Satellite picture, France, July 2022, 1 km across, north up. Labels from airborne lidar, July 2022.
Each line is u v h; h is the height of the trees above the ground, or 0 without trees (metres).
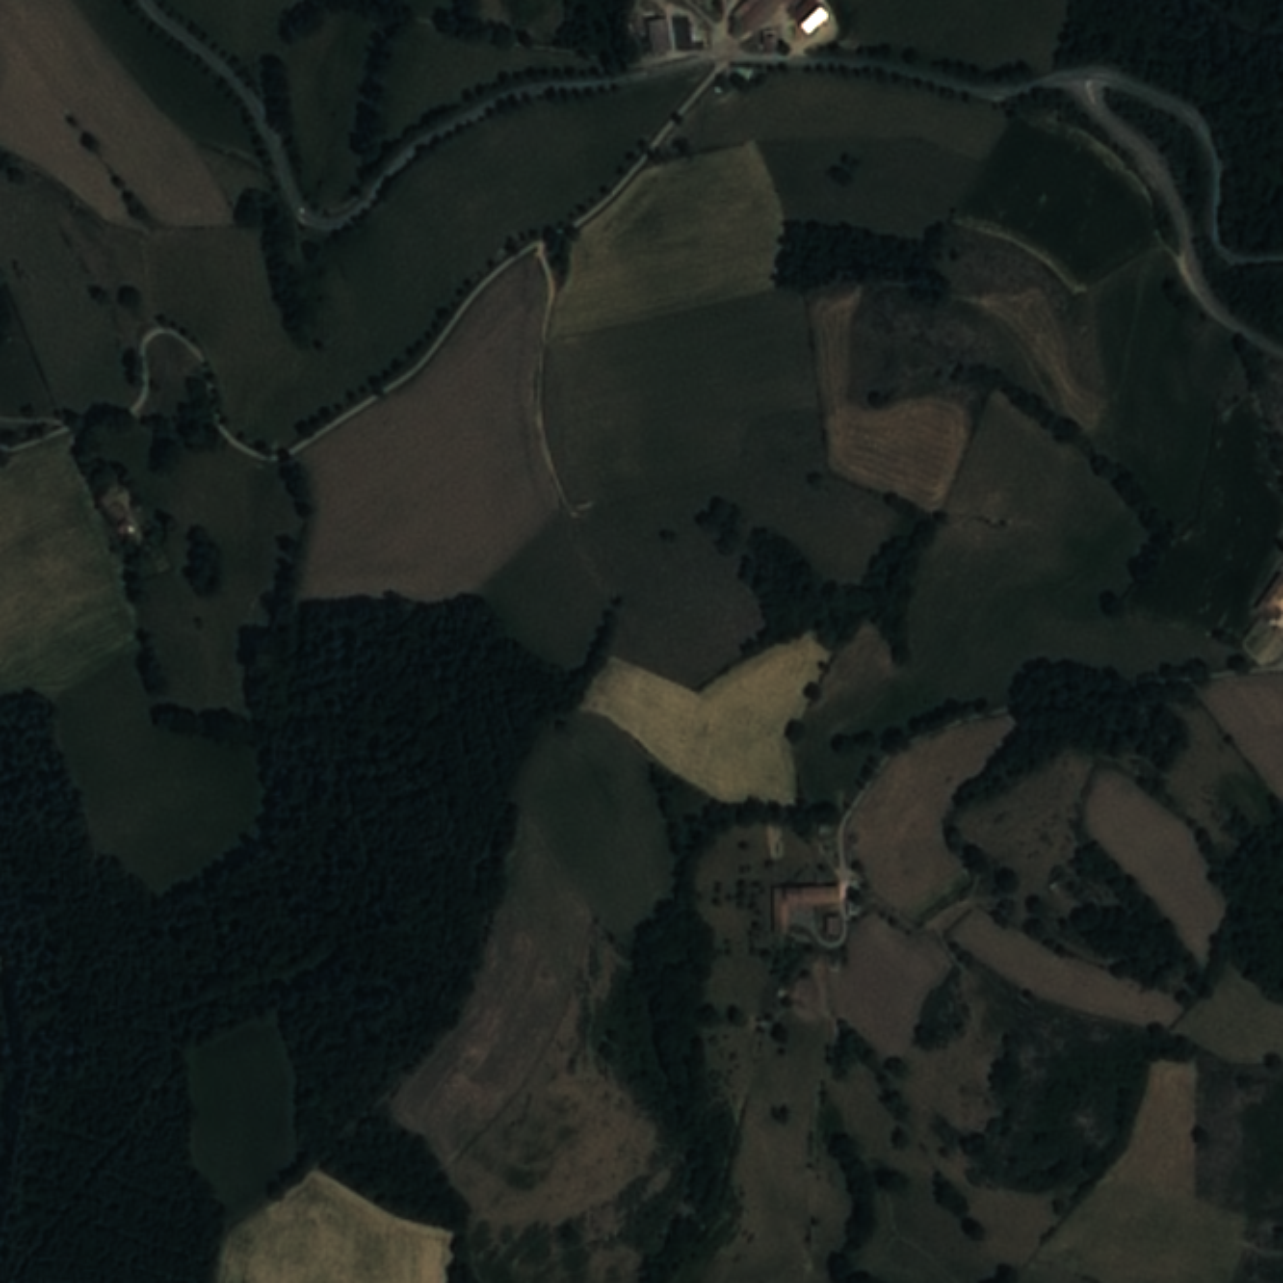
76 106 0
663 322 0
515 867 0
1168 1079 0
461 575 0
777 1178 0
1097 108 0
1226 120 13
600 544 0
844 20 0
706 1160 18
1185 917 0
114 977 9
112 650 0
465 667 14
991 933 0
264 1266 0
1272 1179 0
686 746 0
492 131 0
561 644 0
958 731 0
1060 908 0
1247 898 15
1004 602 0
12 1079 14
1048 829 0
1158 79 14
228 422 10
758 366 0
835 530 0
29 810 30
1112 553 0
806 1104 0
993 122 0
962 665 0
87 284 0
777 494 0
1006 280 0
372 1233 0
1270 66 16
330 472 0
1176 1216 0
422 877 14
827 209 0
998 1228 0
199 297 0
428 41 0
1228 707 0
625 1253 0
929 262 11
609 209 0
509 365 0
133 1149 13
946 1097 0
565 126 0
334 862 12
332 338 0
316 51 0
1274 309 8
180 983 11
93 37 0
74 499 0
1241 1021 0
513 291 0
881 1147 0
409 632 25
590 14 9
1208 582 0
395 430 0
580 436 0
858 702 0
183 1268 11
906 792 0
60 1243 11
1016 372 0
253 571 0
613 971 0
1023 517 0
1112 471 18
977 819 0
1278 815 9
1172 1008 0
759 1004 0
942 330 0
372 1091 9
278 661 12
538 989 0
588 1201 0
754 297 0
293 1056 10
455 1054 0
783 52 11
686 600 0
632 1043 7
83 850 13
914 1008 0
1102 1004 0
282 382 0
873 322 0
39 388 0
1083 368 0
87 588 0
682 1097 15
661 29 0
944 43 0
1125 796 0
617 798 0
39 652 0
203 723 18
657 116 0
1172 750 7
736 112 0
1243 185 16
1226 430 0
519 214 0
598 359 0
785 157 0
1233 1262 0
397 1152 10
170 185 0
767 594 16
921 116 0
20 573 0
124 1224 13
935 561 0
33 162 0
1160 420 0
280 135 11
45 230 0
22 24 0
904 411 0
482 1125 0
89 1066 11
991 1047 0
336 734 13
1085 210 0
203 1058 0
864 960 0
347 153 0
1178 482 0
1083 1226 0
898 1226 0
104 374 0
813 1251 0
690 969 14
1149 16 26
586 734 0
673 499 0
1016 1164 11
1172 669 12
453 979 12
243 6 0
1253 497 0
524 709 12
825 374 0
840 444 0
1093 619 0
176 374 0
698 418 0
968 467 0
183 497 0
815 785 0
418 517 0
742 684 0
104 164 0
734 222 0
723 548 10
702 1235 6
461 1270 17
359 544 0
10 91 0
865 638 0
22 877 10
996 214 0
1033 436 0
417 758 8
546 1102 0
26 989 29
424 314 0
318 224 0
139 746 0
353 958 16
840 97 0
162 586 0
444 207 0
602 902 0
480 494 0
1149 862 0
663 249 0
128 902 14
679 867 7
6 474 0
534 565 0
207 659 0
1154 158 0
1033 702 12
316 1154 8
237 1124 0
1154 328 0
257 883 15
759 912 6
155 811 0
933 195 0
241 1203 0
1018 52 0
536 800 0
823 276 9
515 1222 0
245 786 0
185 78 0
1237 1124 0
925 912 0
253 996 18
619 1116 0
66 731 0
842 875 0
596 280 0
